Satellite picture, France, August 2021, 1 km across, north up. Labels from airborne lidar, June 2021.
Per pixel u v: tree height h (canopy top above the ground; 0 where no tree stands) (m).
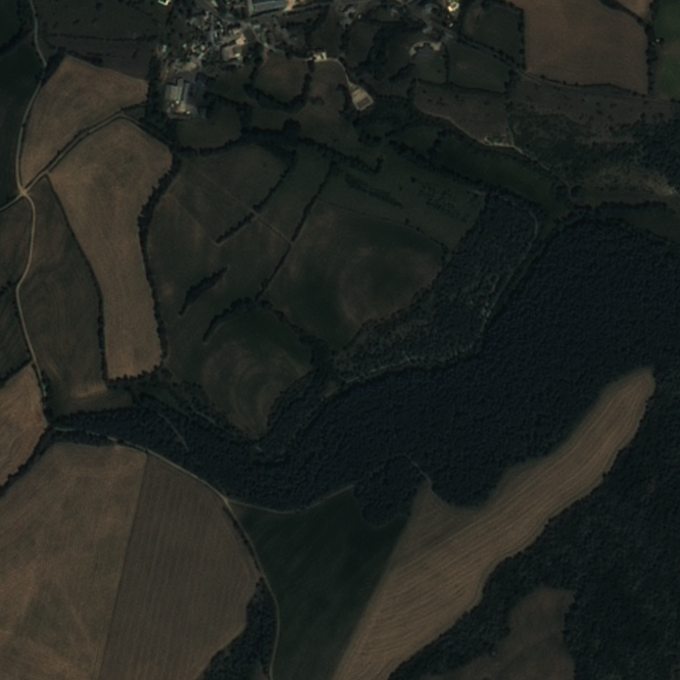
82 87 0
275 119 0
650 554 11
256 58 8
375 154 0
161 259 0
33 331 0
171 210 0
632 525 11
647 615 9
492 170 0
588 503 9
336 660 0
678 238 0
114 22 0
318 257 0
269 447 13
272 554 0
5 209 0
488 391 12
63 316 0
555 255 7
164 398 0
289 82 0
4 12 0
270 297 0
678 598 9
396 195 0
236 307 16
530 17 0
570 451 0
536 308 13
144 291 0
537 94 0
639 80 0
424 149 0
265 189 0
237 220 0
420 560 0
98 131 0
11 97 0
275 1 0
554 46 0
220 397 0
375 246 0
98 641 0
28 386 0
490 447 10
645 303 15
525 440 16
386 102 8
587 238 14
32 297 0
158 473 0
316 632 0
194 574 0
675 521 9
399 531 0
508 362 13
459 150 0
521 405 13
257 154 0
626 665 10
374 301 0
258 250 0
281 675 0
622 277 11
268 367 0
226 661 9
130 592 0
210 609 0
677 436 10
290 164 6
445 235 0
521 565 14
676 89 0
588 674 11
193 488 0
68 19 0
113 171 0
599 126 0
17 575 0
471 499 12
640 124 6
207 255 0
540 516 0
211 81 12
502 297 6
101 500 0
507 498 0
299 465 13
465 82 0
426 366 6
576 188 10
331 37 0
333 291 0
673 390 11
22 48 0
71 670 0
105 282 0
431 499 0
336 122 0
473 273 9
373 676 0
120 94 0
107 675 0
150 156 0
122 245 0
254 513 0
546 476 0
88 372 0
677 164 9
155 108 6
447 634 10
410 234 0
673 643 8
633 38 0
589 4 0
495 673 0
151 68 7
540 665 0
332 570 0
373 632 0
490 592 9
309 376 6
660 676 9
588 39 0
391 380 17
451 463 12
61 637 0
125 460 0
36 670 0
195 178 0
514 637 0
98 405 0
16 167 0
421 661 9
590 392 13
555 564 13
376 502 12
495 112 0
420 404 14
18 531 0
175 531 0
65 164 0
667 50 0
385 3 8
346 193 0
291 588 0
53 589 0
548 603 0
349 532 0
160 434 8
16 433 0
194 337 0
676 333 14
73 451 0
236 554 0
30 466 6
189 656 0
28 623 0
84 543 0
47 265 0
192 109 0
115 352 0
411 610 0
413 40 0
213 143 0
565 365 12
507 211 10
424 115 8
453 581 0
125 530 0
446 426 15
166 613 0
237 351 0
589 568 10
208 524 0
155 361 0
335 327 0
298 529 0
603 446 0
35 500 0
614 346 15
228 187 0
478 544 0
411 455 9
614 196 0
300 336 8
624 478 9
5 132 0
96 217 0
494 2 8
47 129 0
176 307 0
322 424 14
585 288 14
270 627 10
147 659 0
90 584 0
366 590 0
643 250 7
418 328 7
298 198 0
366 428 13
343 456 11
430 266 0
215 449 12
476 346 11
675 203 0
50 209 0
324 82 0
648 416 9
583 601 15
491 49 7
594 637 6
